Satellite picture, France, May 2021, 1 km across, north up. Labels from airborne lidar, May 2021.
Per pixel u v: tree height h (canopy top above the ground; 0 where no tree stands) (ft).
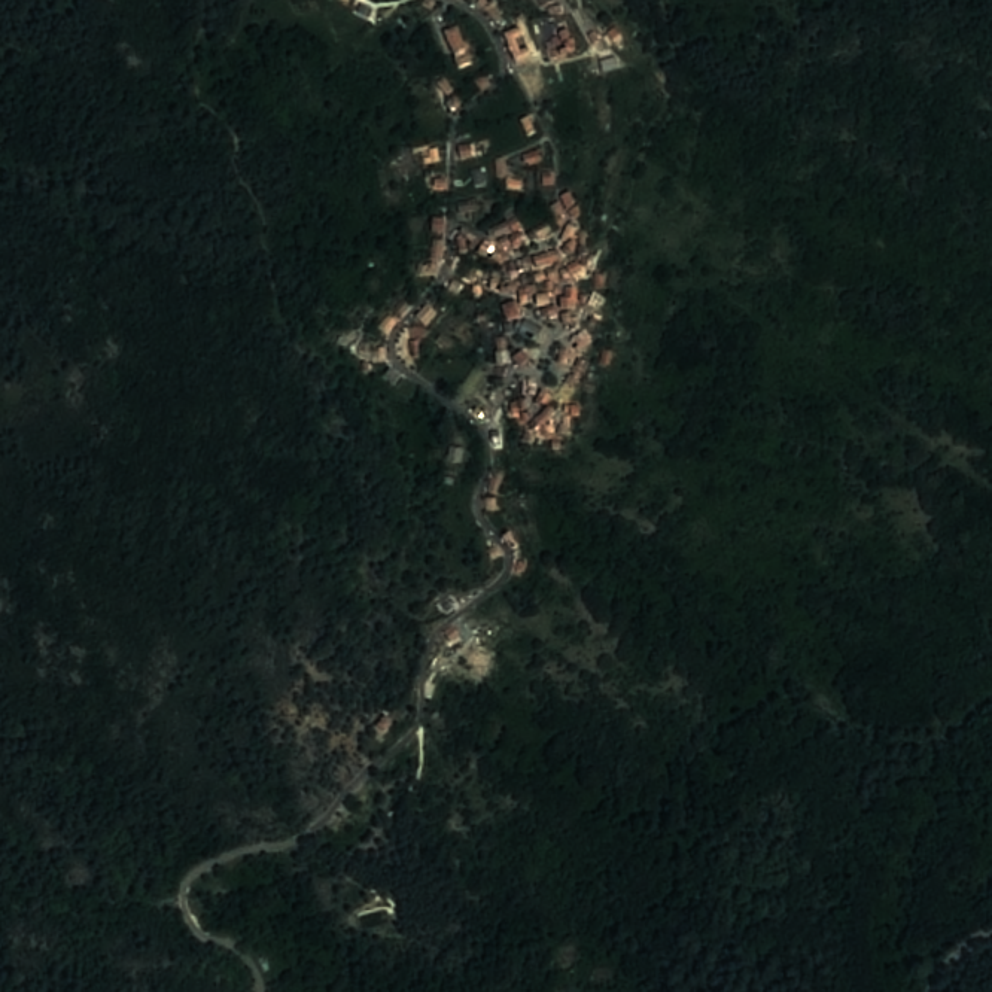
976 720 53
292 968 21
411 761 36
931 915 51
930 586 39
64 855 76
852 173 23
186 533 51
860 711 35
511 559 0
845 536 31
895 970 53
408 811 59
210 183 39
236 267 29
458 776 32
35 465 40
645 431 24
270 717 36
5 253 33
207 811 20
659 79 0
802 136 42
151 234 98
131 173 44
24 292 39
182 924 35
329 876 32
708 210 0
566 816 55
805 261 26
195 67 56
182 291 50
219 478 46
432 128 0
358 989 42
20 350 48
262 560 37
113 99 50
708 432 31
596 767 56
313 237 48
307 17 0
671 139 20
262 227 24
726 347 37
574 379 0
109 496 60
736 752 52
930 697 49
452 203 38
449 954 82
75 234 56
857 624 34
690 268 21
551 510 24
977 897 37
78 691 37
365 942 62
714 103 37
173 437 31
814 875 37
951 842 52
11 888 55
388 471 66
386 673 45
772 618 54
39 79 80
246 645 26
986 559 38
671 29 45
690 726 25
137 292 43
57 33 77
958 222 31
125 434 51
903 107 32
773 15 25
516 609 38
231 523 28
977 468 31
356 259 51
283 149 24
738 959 77
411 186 24
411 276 25
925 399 55
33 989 70
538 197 20
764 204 31
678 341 34
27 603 34
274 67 28
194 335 36
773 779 51
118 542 25
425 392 35
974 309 26
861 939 51
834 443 41
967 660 23
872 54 42
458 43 0
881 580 32
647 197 0
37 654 25
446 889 72
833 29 37
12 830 23
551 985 42
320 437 68
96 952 24
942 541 38
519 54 0
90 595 21
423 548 59
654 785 58
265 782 45
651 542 45
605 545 31
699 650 58
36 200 68
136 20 46
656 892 44
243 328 50
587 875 35
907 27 28
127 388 42
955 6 52
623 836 57
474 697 50
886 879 31
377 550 65
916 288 36
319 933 82
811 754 51
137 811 61
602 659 40
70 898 31
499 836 35
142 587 20
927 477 45
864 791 79
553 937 38
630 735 62
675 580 35
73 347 48
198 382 37
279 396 45
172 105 36
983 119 37
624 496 28
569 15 0
